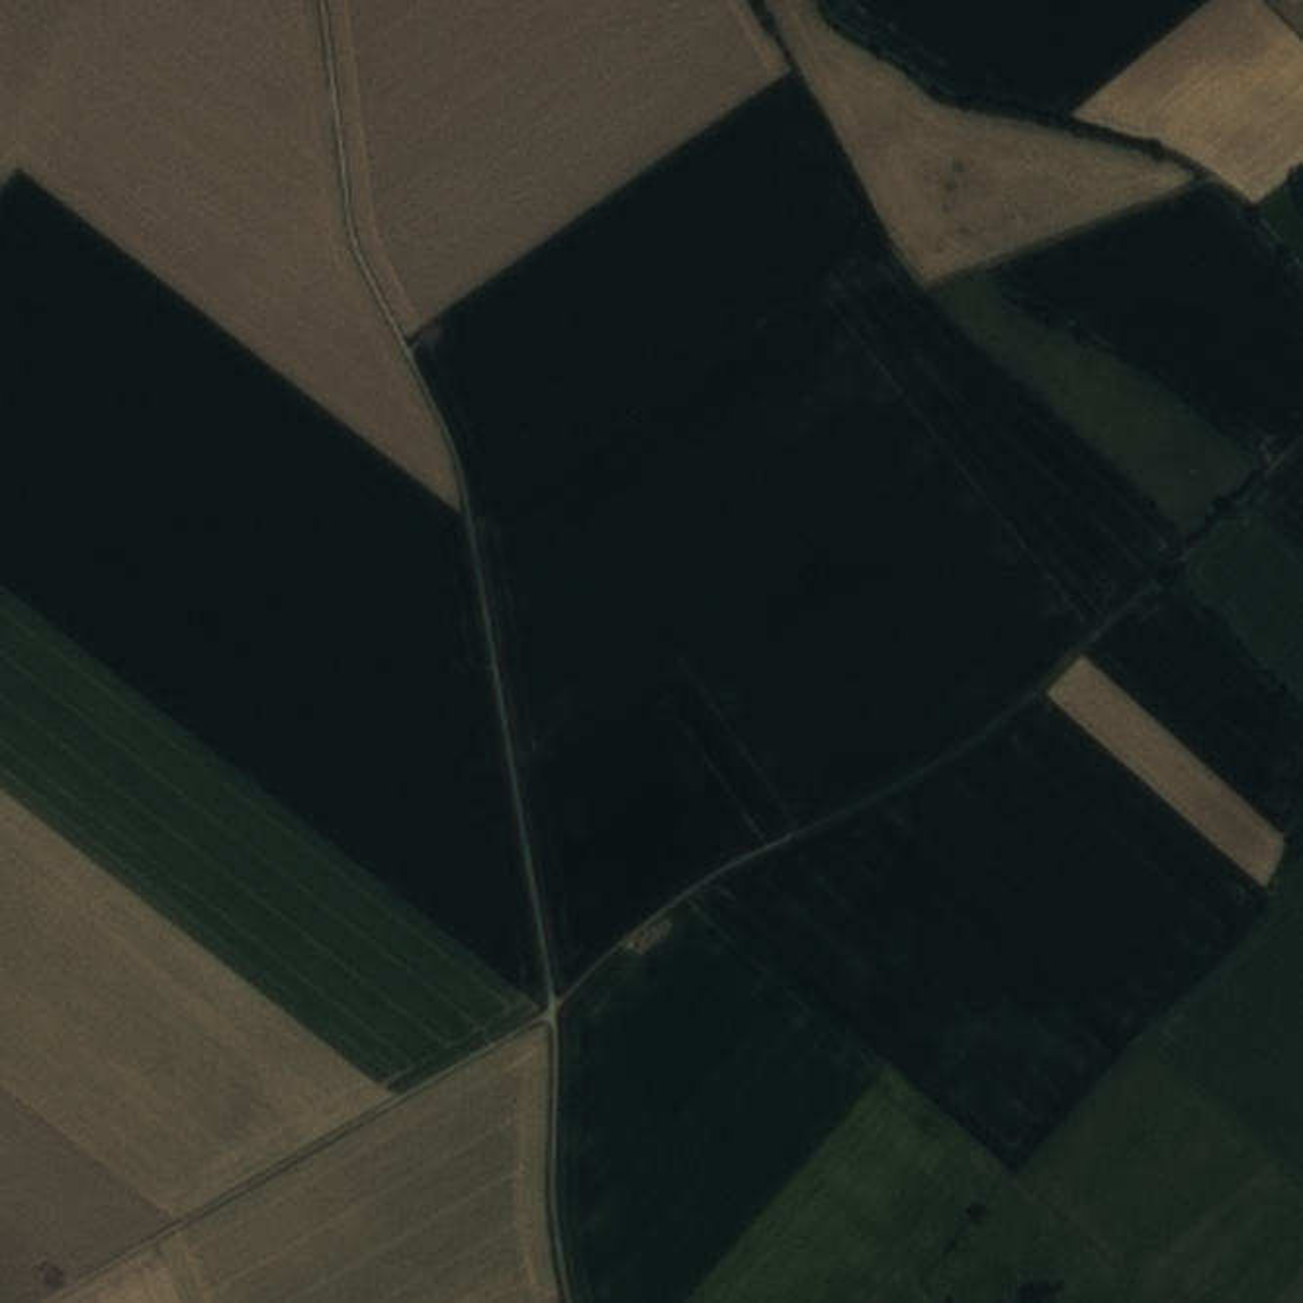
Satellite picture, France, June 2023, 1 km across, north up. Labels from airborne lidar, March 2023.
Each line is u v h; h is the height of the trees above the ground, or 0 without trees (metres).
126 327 0
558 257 0
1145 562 0
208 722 0
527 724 0
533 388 0
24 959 0
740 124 0
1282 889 0
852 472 0
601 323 0
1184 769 0
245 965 0
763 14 7
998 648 0
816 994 0
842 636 0
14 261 0
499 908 0
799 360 0
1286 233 0
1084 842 0
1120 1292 0
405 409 0
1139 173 0
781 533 0
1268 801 0
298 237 0
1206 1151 0
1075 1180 0
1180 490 0
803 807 0
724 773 0
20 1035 0
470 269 0
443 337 0
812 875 0
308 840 0
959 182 0
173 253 0
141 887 0
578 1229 0
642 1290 0
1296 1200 0
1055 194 0
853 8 0
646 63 0
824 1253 0
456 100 0
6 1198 0
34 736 0
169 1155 0
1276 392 0
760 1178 0
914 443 0
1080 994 0
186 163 0
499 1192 0
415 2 0
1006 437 0
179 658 0
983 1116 0
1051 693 0
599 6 0
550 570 0
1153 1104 0
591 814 0
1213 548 0
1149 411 0
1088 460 0
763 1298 0
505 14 0
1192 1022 0
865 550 0
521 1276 0
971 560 0
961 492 0
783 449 0
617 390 0
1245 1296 0
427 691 0
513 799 0
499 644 0
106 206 0
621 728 0
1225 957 0
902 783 0
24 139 0
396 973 0
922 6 0
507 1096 0
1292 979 0
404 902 0
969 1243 0
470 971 0
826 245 0
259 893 0
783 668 0
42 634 0
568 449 0
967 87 0
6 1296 0
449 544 0
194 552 0
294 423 0
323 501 0
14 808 0
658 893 0
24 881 0
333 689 0
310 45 0
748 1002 0
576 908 0
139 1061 0
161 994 0
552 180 0
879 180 0
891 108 0
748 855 0
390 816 0
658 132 0
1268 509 0
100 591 0
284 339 0
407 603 0
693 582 0
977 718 0
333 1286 0
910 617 0
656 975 0
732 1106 0
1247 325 0
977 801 0
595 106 0
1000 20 0
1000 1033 0
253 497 0
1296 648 0
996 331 0
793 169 0
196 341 0
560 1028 0
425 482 0
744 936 0
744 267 0
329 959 0
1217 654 0
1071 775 0
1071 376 0
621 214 0
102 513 0
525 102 0
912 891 0
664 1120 0
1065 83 0
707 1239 0
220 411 0
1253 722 0
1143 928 0
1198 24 0
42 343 0
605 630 0
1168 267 0
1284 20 0
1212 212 0
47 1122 0
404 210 0
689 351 0
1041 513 0
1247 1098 0
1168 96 0
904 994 0
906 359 0
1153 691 0
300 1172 0
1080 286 0
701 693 0
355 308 0
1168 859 0
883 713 0
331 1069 0
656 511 0
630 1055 0
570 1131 0
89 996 0
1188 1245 0
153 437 0
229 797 0
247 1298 0
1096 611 0
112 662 0
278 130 0
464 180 0
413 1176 0
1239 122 0
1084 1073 0
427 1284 0
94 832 0
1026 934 0
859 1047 0
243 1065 0
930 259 0
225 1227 0
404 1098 0
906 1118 0
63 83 0
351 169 0
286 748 0
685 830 0
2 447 0
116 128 0
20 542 0
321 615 0
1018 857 0
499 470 0
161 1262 0
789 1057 0
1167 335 0
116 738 0
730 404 0
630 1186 0
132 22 0
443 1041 0
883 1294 0
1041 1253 0
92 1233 0
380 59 0
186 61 0
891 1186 0
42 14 0
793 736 0
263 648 0
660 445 0
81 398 0
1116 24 0
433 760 0
